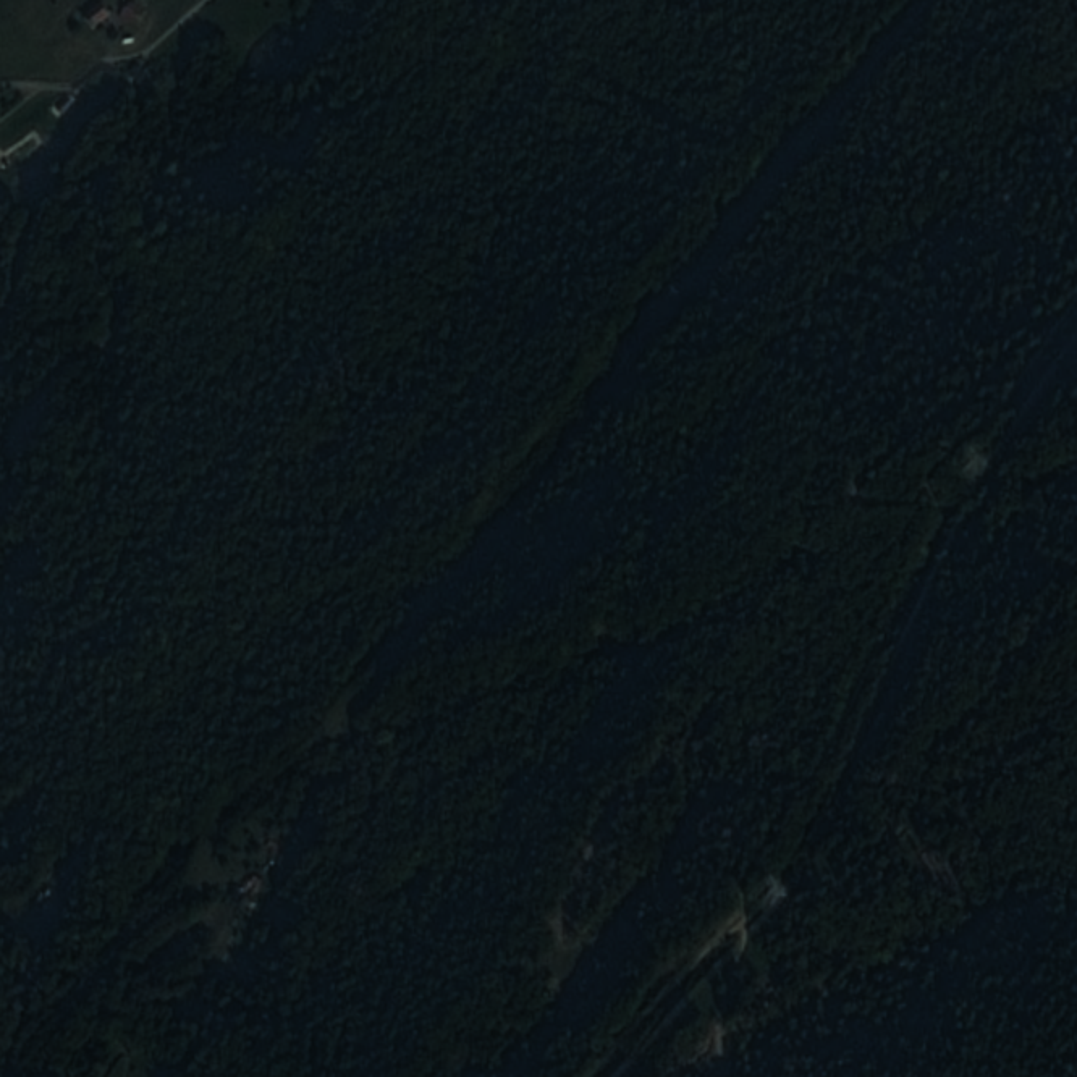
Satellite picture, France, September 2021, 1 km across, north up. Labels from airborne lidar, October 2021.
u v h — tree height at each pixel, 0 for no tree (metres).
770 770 32
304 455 26
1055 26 22
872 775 23
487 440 21
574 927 25
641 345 11
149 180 12
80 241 35
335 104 22
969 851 22
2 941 22
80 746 26
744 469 23
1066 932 27
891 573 24
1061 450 20
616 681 31
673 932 21
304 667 24
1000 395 18
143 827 30
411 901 28
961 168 22
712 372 17
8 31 0
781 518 13
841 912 24
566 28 16
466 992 21
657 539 25
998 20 25
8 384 23
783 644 24
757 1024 23
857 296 28
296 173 9
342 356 26
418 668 27
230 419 24
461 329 21
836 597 16
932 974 27
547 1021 22
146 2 0
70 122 0
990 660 22
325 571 21
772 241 22
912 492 14
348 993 25
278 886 13
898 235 19
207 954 17
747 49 27
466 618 29
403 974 23
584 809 25
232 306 21
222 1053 28
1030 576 19
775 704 20
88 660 28
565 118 21
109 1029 31
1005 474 22
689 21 25
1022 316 15
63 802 26
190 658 24
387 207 23
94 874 23
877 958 21
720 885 27
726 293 23
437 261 19
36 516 27
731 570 19
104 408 18
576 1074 24
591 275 27
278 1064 27
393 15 23
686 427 20
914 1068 28
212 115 18
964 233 23
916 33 22
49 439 28
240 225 29
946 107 25
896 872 20
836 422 18
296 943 21
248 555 23
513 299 27
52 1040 13
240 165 31
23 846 28
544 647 21
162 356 23
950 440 16
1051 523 17
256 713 18
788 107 20
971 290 18
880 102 20
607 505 25
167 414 22
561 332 17
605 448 17
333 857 20
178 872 11
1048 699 21
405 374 28
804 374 24
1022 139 33
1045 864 24
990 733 21
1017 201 28
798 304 26
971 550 28
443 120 25
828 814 9
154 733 23
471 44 24
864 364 20
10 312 22
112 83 0
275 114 12
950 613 20
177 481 24
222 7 0
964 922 20
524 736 24
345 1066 29
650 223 22
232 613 20
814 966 24
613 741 26
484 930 24
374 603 20
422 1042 25
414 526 17
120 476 23
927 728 22
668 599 15
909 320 20
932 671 21
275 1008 31
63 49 0
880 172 21
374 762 28
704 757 13
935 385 24
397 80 21
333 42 29
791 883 39
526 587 24
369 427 28
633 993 24
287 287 22
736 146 23
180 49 0
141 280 23
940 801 20
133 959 23
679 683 26
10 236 23
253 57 0
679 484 27
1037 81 22
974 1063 28
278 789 10
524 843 21
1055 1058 24
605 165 25
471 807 26
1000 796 25
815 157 23
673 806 24
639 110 16
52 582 18
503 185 26
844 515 17
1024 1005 23
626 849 22
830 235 17
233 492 24
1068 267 26
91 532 27
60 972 26
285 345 21
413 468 29
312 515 25
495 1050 23
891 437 17
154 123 15
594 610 18
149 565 26
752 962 0
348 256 28
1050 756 26
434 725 29
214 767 29
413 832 20
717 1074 0
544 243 28
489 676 28
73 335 29
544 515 28
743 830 26
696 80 27
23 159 0
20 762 33
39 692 26
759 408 22
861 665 20
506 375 29
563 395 15
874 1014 25
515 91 22
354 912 27
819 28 21
